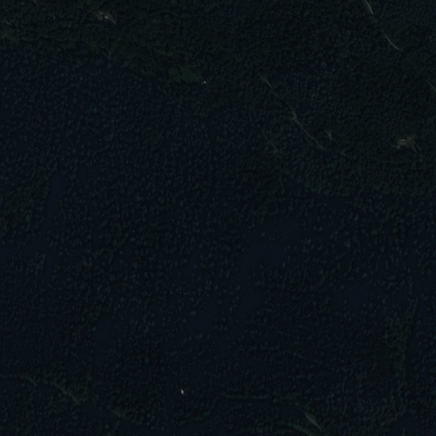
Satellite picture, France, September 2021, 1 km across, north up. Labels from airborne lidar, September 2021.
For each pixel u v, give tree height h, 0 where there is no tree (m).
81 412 11
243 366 18
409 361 23
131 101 27
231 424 17
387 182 22
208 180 29
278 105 20
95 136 26
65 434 19
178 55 8
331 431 31
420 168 29
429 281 18
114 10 19
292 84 31
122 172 29
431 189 30
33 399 13
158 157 22
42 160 32
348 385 15
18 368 19
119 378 15
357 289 19
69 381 21
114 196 27
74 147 20
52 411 13
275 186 26
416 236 24
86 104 35
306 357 16
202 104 26
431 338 10
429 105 27
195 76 29
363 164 33
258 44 19
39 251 19
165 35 29
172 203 22
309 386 14
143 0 31
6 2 27
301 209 23
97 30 23
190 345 24
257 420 22
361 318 26
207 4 30
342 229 18
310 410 12
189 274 15
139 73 8
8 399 16
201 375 14
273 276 31
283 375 14
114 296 24
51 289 25
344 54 37
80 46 26
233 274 22
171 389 32
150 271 26
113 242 30
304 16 25
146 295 25
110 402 16
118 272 25
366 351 18
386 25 25
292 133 30
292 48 27
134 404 16
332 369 12
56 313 22
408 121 27
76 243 28
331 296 6
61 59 6
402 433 28
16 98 36
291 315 14
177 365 24
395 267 21
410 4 27
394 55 31
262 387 17
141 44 29
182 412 20
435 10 25
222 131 27
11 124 27
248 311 14
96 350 7
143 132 27
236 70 27
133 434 7
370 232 22
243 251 27
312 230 20
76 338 17
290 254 17
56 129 12
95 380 19
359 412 34
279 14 24
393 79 25
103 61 11
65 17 21
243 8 32
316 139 30
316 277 21
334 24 17
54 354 20
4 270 22
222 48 16
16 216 11
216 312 7
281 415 18
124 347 21
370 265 7
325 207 15
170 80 25
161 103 26
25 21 22
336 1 19
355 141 26
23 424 18
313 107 28
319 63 8
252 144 32
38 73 15
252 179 25
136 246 26
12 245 22
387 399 29
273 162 27
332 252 17
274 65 31
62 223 35
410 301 25
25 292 21
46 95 35
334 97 30
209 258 30
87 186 16
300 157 35
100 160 31
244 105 30
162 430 10
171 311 31
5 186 28
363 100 26
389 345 30
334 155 26
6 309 18
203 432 13
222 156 39
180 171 31
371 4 26
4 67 36
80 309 21
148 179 24
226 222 22
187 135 20
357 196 19
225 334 13
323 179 27
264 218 18
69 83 35
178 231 27
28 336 19
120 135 28
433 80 22
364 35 25
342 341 16
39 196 18
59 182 13
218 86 27
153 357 25
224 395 13
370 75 24
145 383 27
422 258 31
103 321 9
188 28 23
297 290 19
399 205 7
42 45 32
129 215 33
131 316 24
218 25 29
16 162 37
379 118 26
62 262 25
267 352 13
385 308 20
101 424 10
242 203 24
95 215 34
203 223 24
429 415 18
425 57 22
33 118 32
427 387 22
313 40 32
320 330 19
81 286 28
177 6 10
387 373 17
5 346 16
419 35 19
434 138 30
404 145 0
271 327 16
